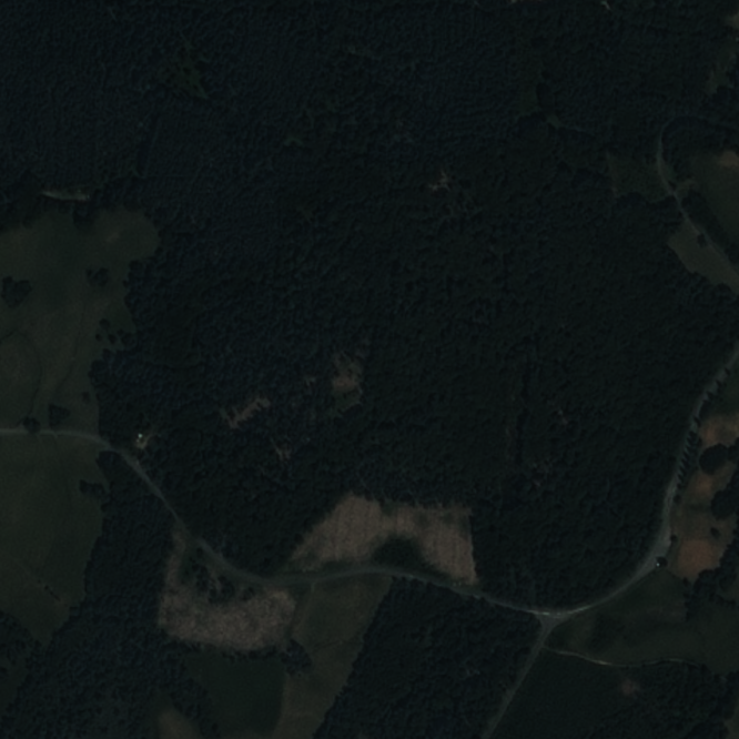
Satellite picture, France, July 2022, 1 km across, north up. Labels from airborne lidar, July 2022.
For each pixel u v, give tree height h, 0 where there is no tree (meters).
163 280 7
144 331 21
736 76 19
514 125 16
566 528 15
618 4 12
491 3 23
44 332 0
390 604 15
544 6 19
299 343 26
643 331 20
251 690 0
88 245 0
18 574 0
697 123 25
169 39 23
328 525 0
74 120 21
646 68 22
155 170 25
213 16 24
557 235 22
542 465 17
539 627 10
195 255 30
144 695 19
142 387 26
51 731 18
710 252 0
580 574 24
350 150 14
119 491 20
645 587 0
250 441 23
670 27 14
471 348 20
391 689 16
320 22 15
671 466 14
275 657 7
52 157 30
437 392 20
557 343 22
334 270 17
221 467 24
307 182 22
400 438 17
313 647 0
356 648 0
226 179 23
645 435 25
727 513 16
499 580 11
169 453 21
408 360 16
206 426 24
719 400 6
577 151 26
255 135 23
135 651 14
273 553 21
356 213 22
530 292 22
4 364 0
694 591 6
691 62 23
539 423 21
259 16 24
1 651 14
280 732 0
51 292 0
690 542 0
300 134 17
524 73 7
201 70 21
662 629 0
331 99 7
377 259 16
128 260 0
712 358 20
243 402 19
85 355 0
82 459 0
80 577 0
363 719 18
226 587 14
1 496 0
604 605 0
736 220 0
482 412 25
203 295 27
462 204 21
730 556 18
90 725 9
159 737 0
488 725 18
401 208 20
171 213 23
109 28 22
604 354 23
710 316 20
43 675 11
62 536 0
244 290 24
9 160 22
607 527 23
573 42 24
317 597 0
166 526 22
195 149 27
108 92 22
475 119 27
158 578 21
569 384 26
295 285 19
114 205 25
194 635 0
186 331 24
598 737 6
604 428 25
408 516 0
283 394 24
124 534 17
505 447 22
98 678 20
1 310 0
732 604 8
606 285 21
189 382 20
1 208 23
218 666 0
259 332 23
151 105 26
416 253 16
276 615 0
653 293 26
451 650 18
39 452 0
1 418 0
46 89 22
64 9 21
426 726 9
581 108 23
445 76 19
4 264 0
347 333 17
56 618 0
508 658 24
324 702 0
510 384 22
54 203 18
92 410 0
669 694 8
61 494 0
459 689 25
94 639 6
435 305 16
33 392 0
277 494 20
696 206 15
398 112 20
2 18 24
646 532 17
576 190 27
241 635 0
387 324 15
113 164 12
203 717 15
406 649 16
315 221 6
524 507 25
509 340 22
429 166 20
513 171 27
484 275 20
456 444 22
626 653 0
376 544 0
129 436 13
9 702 0
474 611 19
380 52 28
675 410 20
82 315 0
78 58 23
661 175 0
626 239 28
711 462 19
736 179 0
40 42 23
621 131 21
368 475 19
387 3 17
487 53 23
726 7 19
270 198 20
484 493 21
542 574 9
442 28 26
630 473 21
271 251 20
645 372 23
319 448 21
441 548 0
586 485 19
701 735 20
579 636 0
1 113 26
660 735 8
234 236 23
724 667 0
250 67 24
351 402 0
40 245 0
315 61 25
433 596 15
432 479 17
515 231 22
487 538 21
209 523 25
